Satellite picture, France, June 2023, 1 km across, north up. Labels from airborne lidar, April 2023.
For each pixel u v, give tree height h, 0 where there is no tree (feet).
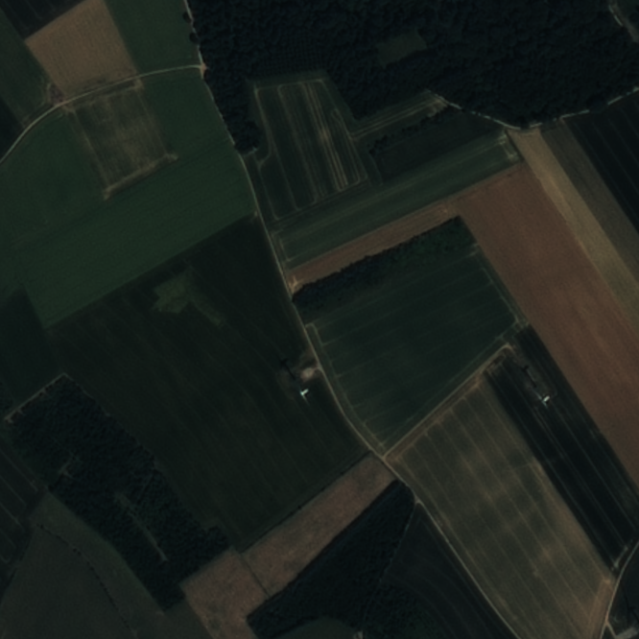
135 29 0
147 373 0
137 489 33
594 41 61
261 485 0
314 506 0
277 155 0
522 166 0
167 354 0
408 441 0
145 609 0
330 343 0
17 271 0
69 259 0
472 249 0
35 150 0
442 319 0
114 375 0
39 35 0
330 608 38
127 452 33
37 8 0
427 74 50
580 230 0
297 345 0
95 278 0
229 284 0
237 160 0
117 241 0
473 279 0
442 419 0
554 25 105
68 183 0
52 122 0
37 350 0
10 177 0
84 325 0
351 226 0
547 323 0
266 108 0
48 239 0
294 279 0
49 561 0
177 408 0
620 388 0
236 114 73
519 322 0
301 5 85
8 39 0
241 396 0
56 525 0
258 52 87
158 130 0
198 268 0
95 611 0
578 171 0
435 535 0
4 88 0
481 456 0
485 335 0
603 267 0
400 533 49
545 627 0
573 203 0
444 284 0
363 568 40
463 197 0
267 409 0
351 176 0
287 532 0
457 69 68
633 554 0
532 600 0
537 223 0
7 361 0
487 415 0
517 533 0
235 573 0
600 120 0
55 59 0
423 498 0
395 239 0
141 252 0
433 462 0
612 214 0
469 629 0
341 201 0
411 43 0
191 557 23
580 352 0
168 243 0
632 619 0
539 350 0
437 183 0
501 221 0
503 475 0
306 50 96
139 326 0
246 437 0
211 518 0
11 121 0
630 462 0
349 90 61
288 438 0
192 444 0
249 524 0
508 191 0
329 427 0
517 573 0
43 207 0
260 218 0
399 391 0
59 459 33
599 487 0
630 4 0
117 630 0
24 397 0
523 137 0
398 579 0
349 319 0
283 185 0
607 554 0
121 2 0
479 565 0
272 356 0
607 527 0
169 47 0
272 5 90
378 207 0
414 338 0
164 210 0
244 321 0
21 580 0
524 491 0
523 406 0
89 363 0
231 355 0
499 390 0
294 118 0
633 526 0
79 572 0
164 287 0
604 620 0
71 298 0
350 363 0
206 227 0
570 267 0
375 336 0
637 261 0
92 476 42
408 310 0
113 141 0
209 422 0
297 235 0
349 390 0
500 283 0
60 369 0
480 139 0
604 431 0
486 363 0
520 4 90
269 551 0
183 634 0
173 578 23
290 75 0
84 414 50
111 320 0
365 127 0
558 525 0
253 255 0
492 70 59
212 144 0
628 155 0
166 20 0
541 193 0
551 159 0
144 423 0
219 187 0
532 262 0
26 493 0
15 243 0
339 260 0
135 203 0
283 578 0
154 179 0
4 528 0
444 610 0
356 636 0
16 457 0
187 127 0
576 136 0
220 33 74
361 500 0
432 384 0
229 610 0
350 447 0
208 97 0
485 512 0
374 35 64
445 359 0
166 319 0
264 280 0
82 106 0
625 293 0
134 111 0
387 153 0
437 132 0
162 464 0
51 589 0
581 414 0
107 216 0
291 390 0
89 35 0
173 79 0
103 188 0
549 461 0
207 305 0
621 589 0
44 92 0
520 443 0
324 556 33
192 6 40
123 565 0
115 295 0
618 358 0
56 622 0
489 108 68
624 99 0
